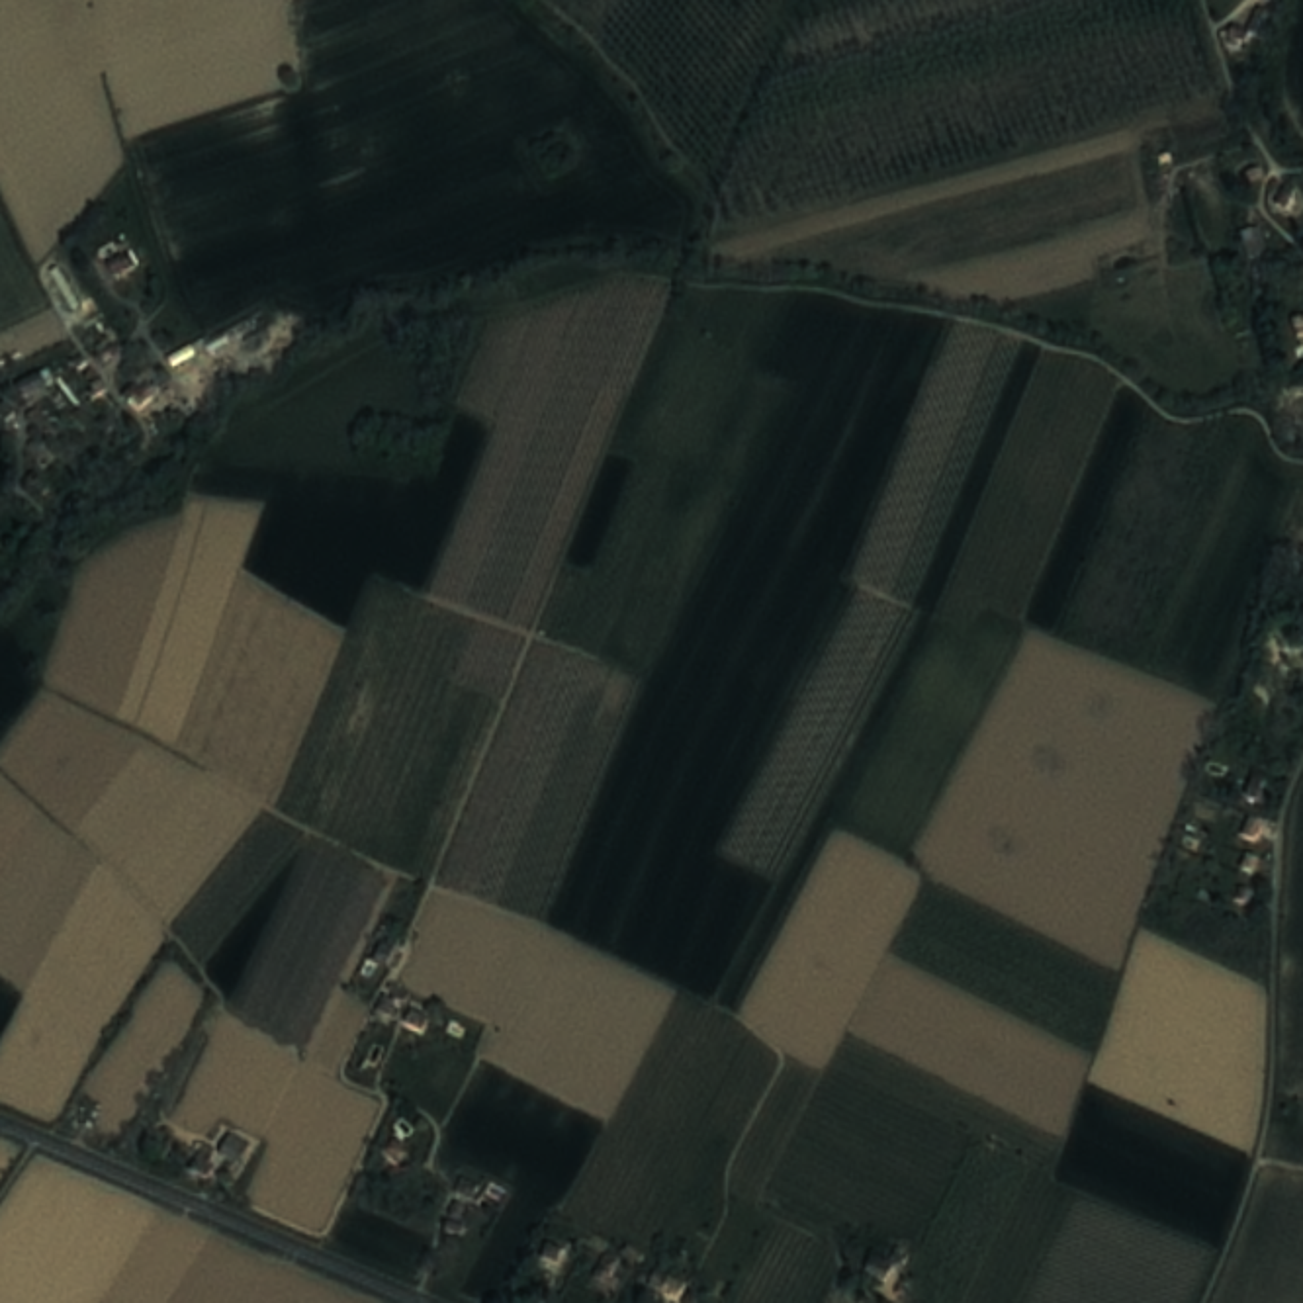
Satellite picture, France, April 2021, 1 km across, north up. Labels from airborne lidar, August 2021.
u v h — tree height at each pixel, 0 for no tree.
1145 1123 0
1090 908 0
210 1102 0
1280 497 0
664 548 0
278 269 0
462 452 0
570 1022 0
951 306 18
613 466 0
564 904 0
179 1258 0
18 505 9
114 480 21
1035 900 0
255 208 0
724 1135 0
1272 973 0
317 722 0
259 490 0
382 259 0
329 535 0
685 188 0
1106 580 0
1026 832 0
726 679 0
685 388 0
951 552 0
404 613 0
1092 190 0
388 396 0
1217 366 0
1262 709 14
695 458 0
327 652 0
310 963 0
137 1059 0
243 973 0
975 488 0
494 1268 0
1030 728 0
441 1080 0
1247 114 20
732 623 0
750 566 0
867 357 0
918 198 0
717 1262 0
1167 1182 0
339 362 0
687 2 20
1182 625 0
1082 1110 0
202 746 0
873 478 0
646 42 17
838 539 0
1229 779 7
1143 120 24
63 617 16
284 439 0
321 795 0
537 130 0
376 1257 0
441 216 0
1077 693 0
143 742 0
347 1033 0
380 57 0
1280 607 16
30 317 0
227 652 0
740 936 0
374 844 0
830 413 0
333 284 0
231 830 0
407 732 0
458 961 0
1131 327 0
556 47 0
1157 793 0
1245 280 10
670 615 0
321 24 0
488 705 0
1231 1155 0
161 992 0
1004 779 0
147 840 0
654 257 14
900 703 0
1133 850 0
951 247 0
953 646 0
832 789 0
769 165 28
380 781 0
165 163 0
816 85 22
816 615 0
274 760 0
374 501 0
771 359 0
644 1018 0
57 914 0
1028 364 0
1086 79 27
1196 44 30
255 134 0
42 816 0
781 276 15
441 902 0
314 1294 0
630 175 0
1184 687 0
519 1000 0
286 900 0
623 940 0
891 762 0
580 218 0
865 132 26
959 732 0
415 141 0
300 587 0
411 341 28
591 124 0
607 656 0
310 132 0
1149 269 0
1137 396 0
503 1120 0
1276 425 19
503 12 0
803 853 0
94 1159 0
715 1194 0
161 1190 0
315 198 0
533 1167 0
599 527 0
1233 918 8
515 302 0
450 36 0
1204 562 0
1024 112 24
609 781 0
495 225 0
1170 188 0
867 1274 7
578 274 0
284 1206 0
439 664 0
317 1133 0
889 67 22
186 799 0
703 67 18
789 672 0
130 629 0
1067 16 23
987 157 16
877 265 0
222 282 0
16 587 14
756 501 0
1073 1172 0
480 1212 14
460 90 0
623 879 0
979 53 25
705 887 0
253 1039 0
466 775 0
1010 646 0
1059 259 0
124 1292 0
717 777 0
